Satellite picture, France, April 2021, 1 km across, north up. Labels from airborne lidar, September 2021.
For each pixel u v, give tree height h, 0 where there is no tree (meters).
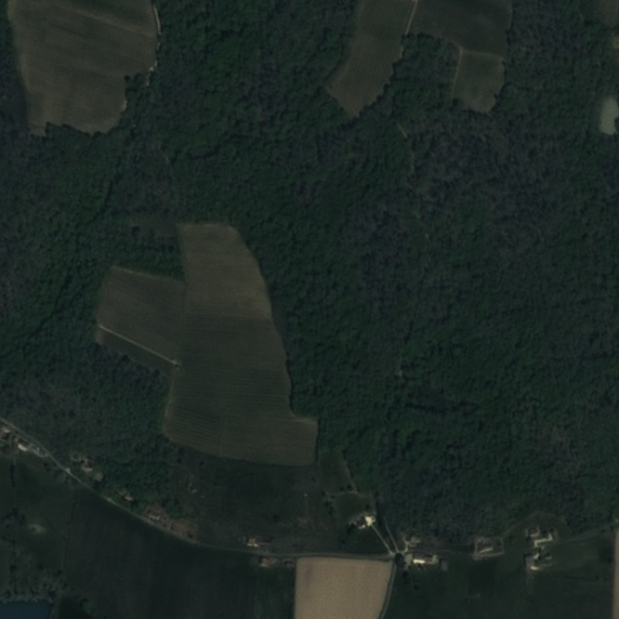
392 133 22
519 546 0
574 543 0
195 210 15
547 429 14
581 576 0
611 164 18
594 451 21
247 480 0
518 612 0
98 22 0
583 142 20
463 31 0
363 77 0
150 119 14
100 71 0
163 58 14
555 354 20
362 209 22
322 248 24
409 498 15
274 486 0
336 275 23
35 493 0
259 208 28
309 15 14
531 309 17
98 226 19
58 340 20
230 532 0
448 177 12
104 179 19
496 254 21
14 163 16
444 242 15
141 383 21
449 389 17
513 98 21
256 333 0
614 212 23
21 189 17
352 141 19
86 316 16
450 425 16
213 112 26
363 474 18
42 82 0
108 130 0
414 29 0
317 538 0
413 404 20
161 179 19
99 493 18
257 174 28
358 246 20
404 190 10
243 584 0
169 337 0
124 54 0
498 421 14
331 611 0
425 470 13
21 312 18
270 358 0
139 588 0
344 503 0
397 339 13
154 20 0
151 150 18
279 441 0
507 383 15
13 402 22
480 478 17
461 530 15
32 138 11
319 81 14
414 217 20
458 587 0
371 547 0
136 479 24
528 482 20
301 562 0
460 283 15
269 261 22
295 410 17
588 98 17
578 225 22
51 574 16
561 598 0
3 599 8
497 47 0
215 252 0
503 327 20
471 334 25
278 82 17
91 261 19
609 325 23
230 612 0
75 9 0
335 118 18
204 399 0
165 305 0
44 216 13
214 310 0
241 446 0
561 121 19
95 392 18
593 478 9
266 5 21
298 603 0
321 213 19
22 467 0
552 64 11
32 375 15
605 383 21
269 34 14
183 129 21
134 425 19
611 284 28
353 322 28
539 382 17
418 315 16
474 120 14
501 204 9
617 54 0
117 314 0
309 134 17
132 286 0
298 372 21
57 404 18
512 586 0
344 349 23
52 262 22
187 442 0
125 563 0
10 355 19
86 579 0
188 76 19
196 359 0
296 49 17
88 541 0
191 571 0
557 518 10
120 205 20
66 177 18
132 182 16
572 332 18
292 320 25
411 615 0
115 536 0
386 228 11
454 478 11
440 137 8
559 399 15
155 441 20
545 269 20
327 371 26
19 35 0
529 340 20
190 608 0
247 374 0
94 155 19
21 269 17
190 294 0
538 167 26
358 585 0
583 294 20
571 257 18
